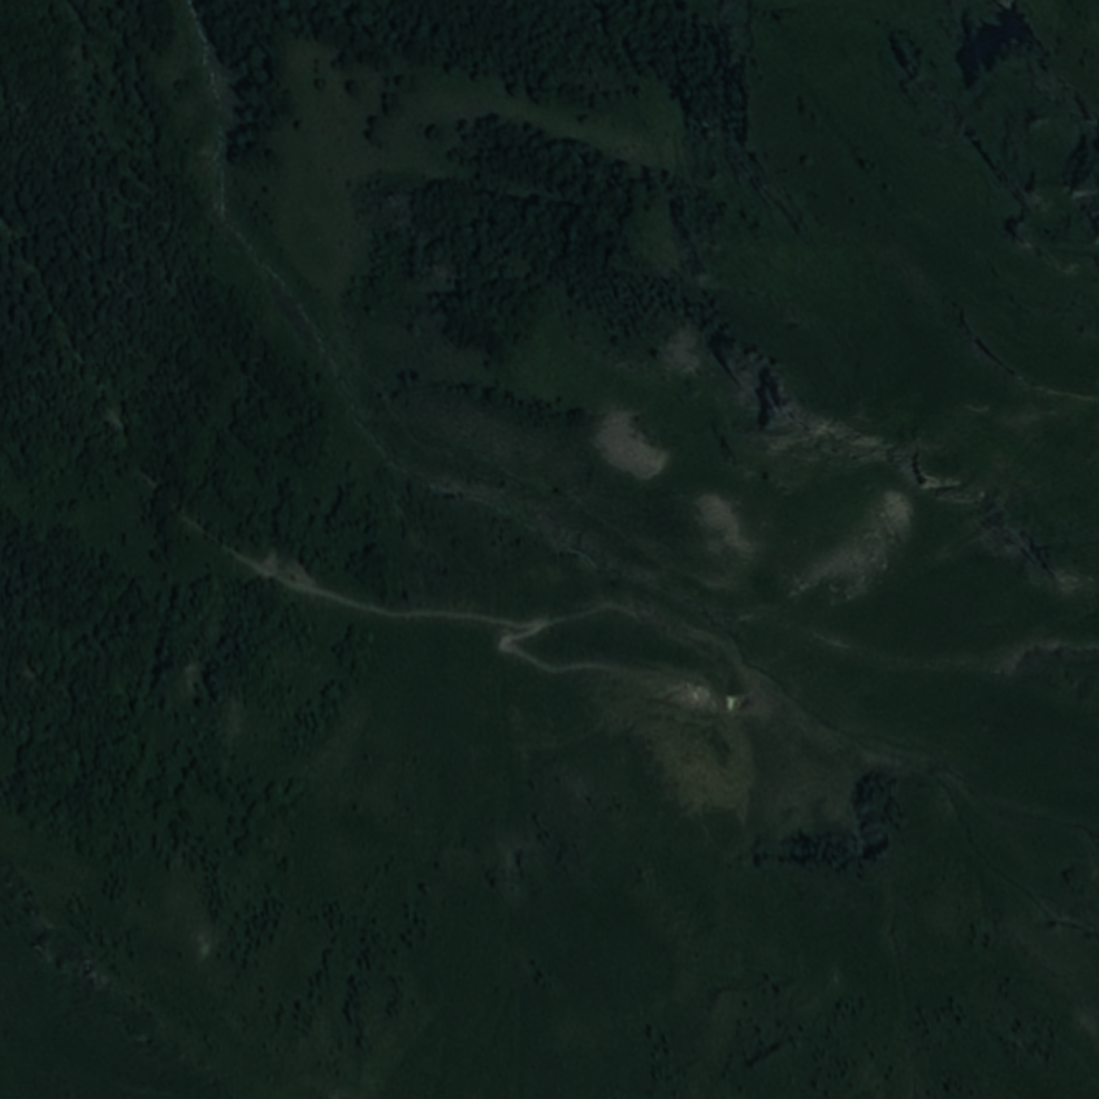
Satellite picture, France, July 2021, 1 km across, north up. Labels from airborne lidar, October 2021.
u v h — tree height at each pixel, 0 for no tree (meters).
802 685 0
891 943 0
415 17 13
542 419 8
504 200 16
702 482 0
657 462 0
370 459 0
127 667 18
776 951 0
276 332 0
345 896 0
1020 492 0
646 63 11
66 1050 0
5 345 26
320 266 0
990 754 0
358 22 19
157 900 0
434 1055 0
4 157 27
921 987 0
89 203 21
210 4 26
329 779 0
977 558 0
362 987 10
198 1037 0
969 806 0
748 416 0
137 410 11
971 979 0
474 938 0
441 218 9
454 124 0
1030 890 0
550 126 0
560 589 0
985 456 0
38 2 18
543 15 13
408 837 0
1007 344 0
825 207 0
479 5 9
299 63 0
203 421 18
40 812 9
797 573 0
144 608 18
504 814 0
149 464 16
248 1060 0
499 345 13
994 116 0
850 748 0
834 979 0
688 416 0
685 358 0
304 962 0
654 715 0
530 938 0
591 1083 0
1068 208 0
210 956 0
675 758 0
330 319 0
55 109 25
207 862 13
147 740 8
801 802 0
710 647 0
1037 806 0
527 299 15
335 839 0
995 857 0
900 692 0
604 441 0
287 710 9
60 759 18
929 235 0
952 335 0
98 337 16
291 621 14
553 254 18
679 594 0
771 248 0
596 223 15
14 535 14
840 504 0
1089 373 0
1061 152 0
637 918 0
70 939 0
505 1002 0
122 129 8
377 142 12
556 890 0
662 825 0
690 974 0
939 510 0
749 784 0
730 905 0
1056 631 0
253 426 16
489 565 0
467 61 11
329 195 0
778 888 0
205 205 15
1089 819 0
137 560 0
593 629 0
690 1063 0
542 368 0
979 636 0
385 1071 0
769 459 0
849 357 0
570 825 0
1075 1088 0
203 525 7
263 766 0
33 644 15
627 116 0
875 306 0
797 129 0
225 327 14
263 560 0
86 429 18
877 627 0
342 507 13
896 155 0
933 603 0
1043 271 0
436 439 0
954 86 0
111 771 19
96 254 27
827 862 8
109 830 15
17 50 20
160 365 10
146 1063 0
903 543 0
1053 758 0
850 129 0
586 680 0
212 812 0
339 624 0
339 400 0
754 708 0
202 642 9
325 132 0
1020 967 0
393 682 0
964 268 0
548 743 0
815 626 0
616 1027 0
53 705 22
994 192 0
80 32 14
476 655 0
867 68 0
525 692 0
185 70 0
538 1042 0
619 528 0
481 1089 0
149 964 0
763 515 0
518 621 0
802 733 0
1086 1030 0
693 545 0
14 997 0
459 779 0
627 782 0
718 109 14
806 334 0
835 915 0
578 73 8
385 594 7
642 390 0
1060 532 0
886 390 0
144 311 25
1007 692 0
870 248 0
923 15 0
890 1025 0
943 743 0
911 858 0
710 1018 0
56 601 24
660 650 0
